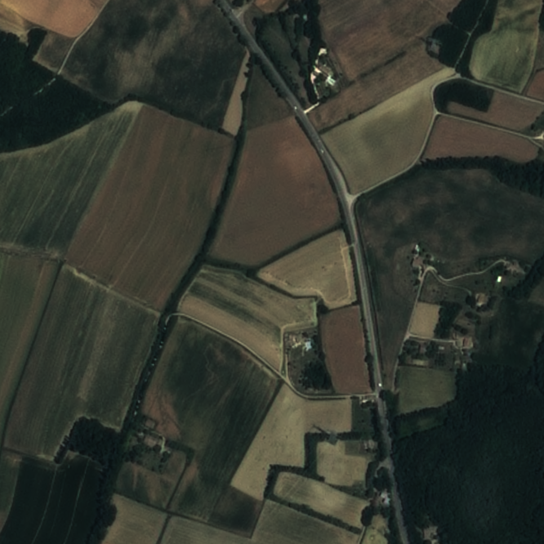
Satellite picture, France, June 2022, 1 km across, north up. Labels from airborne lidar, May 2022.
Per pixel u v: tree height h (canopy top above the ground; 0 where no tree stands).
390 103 0
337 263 0
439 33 12
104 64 0
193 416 0
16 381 0
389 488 21
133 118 0
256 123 0
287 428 0
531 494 24
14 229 0
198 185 0
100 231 0
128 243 0
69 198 0
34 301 0
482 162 18
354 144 0
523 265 8
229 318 0
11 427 0
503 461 12
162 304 0
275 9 0
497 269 9
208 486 0
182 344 0
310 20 14
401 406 0
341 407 0
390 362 0
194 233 0
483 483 11
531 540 30
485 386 19
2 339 0
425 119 0
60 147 0
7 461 0
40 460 0
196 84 0
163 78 0
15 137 11
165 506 0
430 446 16
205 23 0
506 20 0
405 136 0
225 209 0
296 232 0
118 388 0
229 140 0
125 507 0
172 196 0
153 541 0
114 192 0
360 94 0
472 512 9
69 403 0
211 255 0
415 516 17
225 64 0
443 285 0
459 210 0
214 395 0
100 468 0
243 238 0
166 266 0
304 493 0
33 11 0
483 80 0
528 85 0
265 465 0
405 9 0
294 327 0
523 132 0
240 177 0
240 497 0
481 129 0
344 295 0
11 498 0
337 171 0
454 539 17
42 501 0
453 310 8
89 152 0
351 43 0
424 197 0
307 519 0
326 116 0
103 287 0
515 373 17
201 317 0
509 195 0
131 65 0
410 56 0
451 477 8
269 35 0
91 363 0
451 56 10
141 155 0
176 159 0
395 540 17
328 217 0
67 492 0
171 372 0
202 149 0
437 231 0
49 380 0
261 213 0
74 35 0
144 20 0
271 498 16
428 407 0
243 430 0
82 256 0
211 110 0
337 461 0
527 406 17
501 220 0
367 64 0
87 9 0
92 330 0
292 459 0
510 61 0
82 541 0
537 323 0
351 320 0
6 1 0
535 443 20
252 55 11
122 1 0
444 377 0
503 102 0
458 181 0
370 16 0
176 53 0
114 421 0
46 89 8
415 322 0
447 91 9
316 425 0
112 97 0
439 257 0
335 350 0
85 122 12
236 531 0
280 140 0
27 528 0
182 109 0
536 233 0
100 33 0
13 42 13
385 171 0
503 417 16
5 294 0
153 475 0
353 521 0
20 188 0
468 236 0
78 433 14
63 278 0
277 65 12
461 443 17
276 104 0
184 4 0
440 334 7
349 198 0
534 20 0
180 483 0
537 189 10
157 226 0
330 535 0
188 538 0
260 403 0
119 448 17
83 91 7
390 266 0
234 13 0
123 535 0
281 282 0
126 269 0
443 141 0
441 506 12
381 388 0
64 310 0
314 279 0
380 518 0
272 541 0
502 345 0
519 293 15
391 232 0
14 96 11
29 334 0
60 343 0
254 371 0
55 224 0
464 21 13
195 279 0
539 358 16
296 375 0
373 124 0
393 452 15
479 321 6
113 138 0
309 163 0
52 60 0
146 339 0
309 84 16
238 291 0
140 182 0
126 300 0
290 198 0
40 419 0
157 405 0
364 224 0
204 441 0
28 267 0
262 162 0
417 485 13
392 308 0
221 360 0
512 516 18
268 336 0
